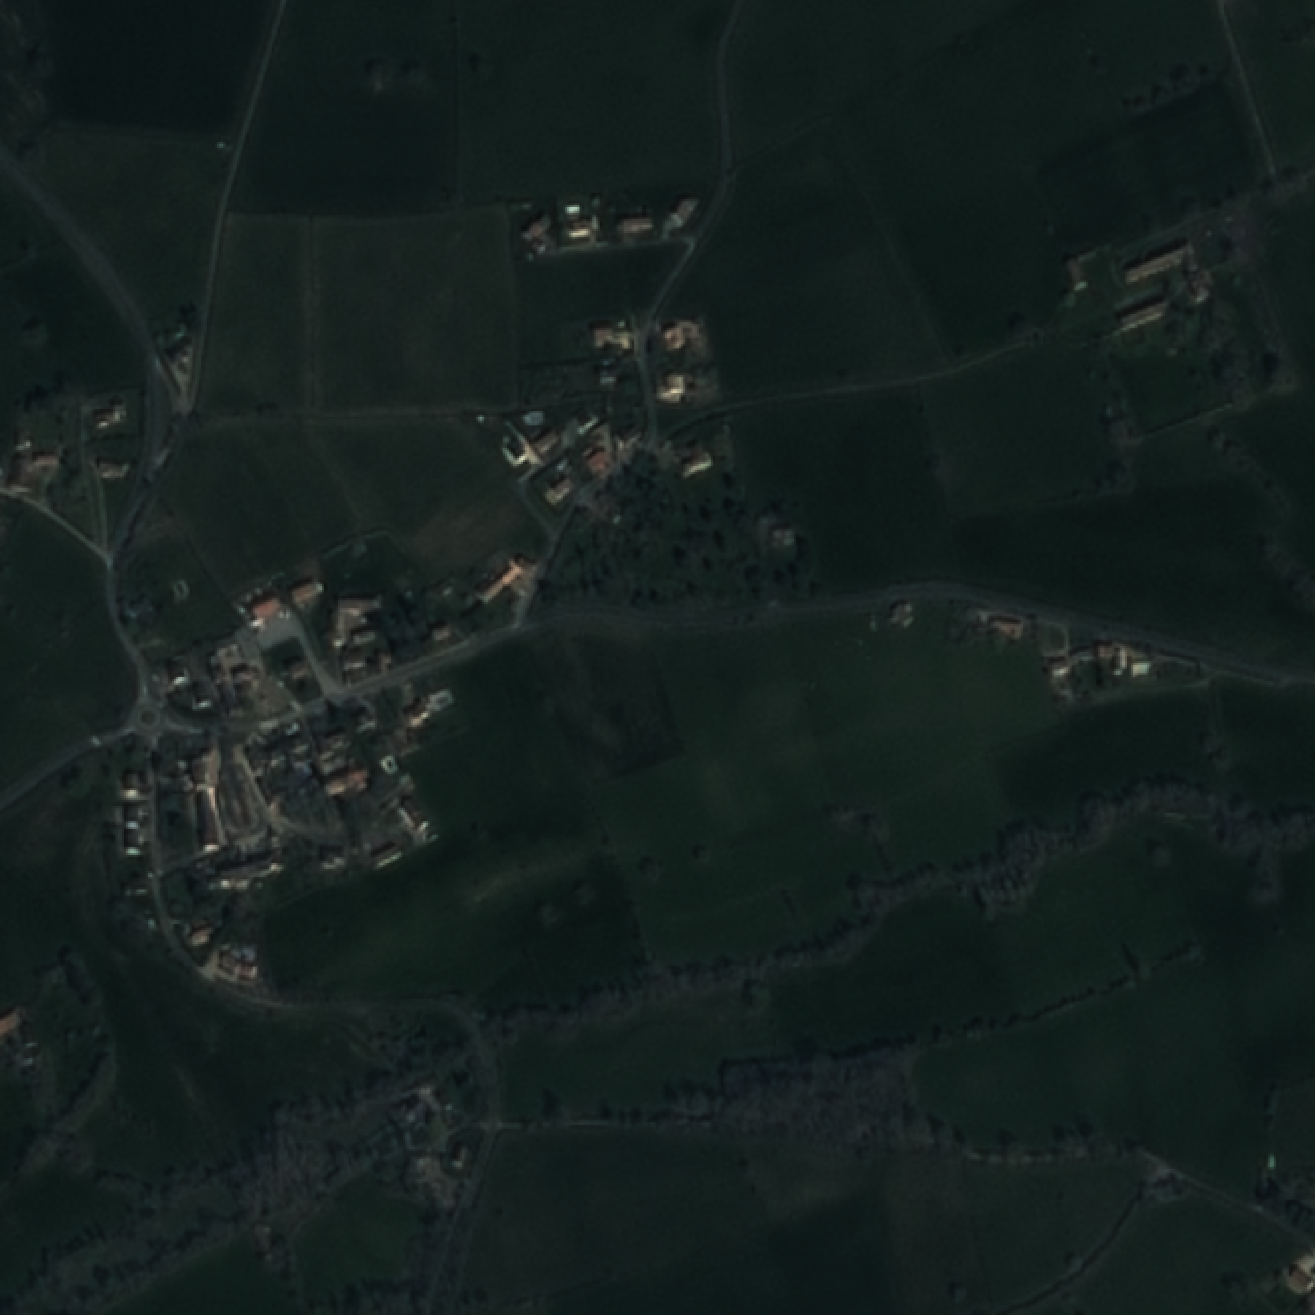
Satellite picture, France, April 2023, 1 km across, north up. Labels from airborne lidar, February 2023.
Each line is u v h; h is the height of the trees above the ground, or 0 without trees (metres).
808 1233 0
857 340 0
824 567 0
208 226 0
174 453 10
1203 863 0
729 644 0
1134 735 0
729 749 0
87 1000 17
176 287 0
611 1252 0
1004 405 0
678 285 0
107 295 0
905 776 0
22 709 0
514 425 0
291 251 0
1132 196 0
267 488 0
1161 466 0
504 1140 0
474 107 0
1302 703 0
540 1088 0
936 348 0
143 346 0
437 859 0
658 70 0
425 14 0
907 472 0
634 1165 0
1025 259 0
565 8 0
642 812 0
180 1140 0
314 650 0
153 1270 8
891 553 0
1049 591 0
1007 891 23
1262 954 0
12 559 0
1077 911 0
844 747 0
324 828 19
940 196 0
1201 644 6
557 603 8
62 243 0
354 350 0
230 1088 0
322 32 0
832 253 0
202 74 0
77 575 0
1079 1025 0
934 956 0
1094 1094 0
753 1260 0
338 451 0
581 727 0
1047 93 0
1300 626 0
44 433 0
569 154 0
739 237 0
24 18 0
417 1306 14
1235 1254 0
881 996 0
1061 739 0
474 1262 0
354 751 8
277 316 0
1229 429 0
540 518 0
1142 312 0
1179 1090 0
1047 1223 0
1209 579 0
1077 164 0
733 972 19
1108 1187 0
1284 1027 0
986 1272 0
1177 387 0
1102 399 0
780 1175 0
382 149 0
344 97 0
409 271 0
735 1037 0
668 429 0
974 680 0
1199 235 0
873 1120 13
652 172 0
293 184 0
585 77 0
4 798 0
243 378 0
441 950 0
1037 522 0
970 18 0
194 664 0
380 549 0
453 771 0
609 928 0
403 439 0
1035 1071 0
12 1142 0
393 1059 7
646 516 7
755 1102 20
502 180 0
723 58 0
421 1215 0
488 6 0
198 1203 0
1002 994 0
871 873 0
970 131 0
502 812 0
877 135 0
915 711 0
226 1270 0
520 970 0
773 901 0
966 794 0
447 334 0
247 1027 0
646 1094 0
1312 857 0
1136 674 0
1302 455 0
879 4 0
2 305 0
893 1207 0
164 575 0
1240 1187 0
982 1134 0
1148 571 0
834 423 0
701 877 0
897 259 0
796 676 0
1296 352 0
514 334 0
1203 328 13
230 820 11
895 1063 19
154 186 0
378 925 0
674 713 0
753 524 8
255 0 0
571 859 0
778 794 0
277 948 0
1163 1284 0
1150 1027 0
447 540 0
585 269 0
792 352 0
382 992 0
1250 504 0
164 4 0
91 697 0
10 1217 0
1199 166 0
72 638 0
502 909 0
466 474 0
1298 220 0
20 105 0
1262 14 0
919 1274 0
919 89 0
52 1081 10
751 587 8
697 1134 7
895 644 0
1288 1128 0
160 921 0
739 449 0
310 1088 0
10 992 0
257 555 0
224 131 0
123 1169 0
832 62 0
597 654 0
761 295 0
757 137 0
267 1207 29
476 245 0
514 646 0
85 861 0
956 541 0
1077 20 0
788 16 0
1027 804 0
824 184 0
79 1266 10
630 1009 20
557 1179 0
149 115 0
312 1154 18
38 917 0
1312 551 0
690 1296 0
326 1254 0
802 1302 0
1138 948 0
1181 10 0
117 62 0
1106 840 14
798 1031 0
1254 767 0
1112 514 0
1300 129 0
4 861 0
